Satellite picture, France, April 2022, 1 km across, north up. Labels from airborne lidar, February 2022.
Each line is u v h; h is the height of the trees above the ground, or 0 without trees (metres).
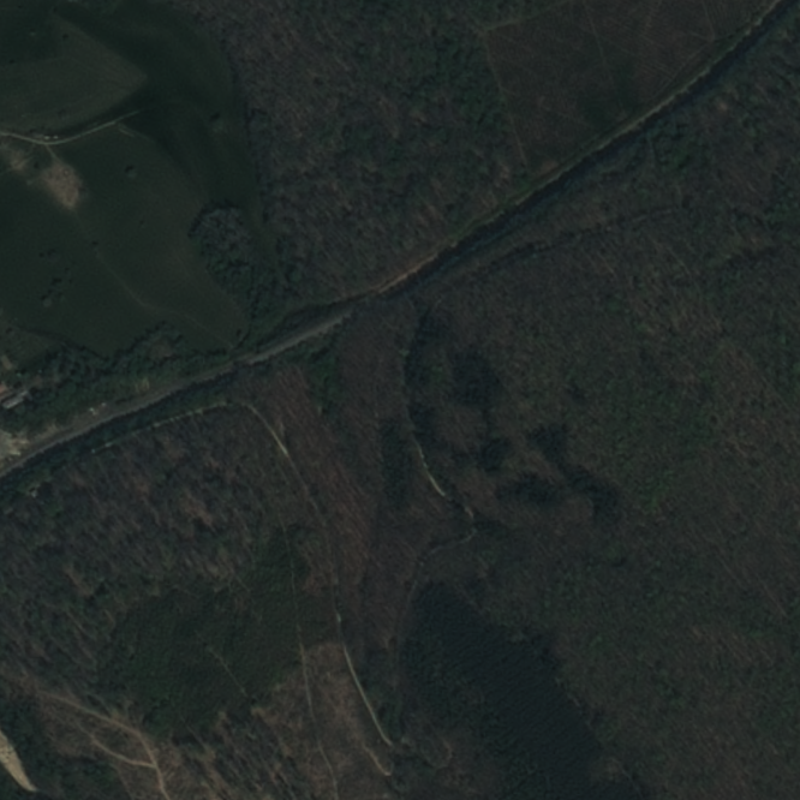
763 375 0
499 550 0
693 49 0
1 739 0
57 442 0
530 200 0
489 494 0
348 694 0
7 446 0
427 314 23
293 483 0
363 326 23
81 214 0
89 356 11
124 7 0
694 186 29
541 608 0
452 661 14
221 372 0
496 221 0
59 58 0
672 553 0
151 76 0
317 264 28
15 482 11
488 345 0
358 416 0
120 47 0
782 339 26
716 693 0
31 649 0
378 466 0
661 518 17
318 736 0
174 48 0
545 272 0
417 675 19
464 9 24
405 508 16
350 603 29
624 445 0
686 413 0
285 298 28
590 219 27
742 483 0
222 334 0
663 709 0
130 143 0
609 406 0
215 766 0
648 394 0
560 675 21
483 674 14
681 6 0
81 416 0
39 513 0
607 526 17
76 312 0
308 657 0
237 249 10
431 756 29
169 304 0
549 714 14
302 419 0
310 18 28
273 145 24
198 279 0
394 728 24
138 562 0
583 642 0
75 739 0
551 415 0
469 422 0
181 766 0
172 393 0
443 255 0
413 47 25
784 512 0
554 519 0
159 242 0
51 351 0
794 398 0
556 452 21
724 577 0
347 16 28
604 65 0
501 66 0
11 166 0
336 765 0
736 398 0
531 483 24
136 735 0
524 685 14
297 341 0
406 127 24
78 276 0
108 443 0
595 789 13
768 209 28
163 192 0
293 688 0
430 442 18
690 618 0
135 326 0
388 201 28
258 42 0
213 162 0
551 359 0
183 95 0
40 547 31
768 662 0
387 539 0
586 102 0
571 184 21
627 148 15
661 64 0
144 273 0
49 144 0
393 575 0
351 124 28
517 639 0
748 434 0
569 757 15
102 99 0
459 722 15
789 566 0
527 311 0
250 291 12
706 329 0
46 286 0
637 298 0
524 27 0
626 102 0
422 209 28
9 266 0
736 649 0
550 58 0
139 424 9
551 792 15
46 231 0
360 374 0
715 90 11
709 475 0
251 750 32
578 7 0
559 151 0
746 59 20
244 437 0
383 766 0
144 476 0
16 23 0
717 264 0
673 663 0
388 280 23
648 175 30
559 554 0
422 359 22
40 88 0
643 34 0
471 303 0
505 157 27
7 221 0
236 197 0
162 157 0
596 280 0
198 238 14
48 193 0
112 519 0
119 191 0
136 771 0
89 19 0
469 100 25
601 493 14
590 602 0
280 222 27
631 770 17
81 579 0
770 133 31
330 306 28
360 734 0
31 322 0
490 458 22
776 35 28
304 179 17
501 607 0
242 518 0
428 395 15
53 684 32
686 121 30
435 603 17
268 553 6
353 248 0
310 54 0
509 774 14
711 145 32
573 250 23
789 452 0
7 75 0
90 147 0
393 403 18
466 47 28
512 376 0
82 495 0
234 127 0
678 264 0
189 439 24
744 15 0
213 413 0
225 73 0
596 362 0
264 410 24
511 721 17
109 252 0
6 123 0
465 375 19
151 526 29
